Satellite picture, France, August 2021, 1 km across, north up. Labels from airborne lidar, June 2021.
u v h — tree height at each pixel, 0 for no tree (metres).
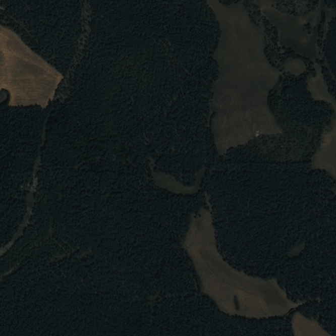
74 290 18
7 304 18
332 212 18
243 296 0
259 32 0
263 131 0
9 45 0
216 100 0
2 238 15
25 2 15
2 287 10
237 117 0
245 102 0
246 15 0
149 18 13
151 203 14
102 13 10
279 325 19
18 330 14
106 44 9
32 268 17
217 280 0
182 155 10
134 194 21
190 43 17
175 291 19
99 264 15
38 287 19
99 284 14
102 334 17
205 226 0
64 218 10
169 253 19
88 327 14
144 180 20
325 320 16
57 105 19
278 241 15
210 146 11
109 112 7
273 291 0
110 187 9
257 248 19
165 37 12
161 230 17
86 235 15
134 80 10
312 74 11
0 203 16
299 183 10
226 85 0
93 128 15
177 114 16
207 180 10
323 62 11
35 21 14
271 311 0
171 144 9
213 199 11
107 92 8
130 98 13
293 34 0
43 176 16
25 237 13
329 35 7
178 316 16
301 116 17
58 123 10
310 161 9
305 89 21
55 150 13
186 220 22
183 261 19
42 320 15
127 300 18
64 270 17
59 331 17
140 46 9
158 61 11
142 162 11
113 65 12
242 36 0
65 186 12
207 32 17
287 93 20
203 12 13
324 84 0
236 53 0
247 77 0
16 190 7
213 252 0
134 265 20
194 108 19
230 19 0
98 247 15
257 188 13
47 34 15
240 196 13
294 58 12
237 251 18
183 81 17
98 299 17
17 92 0
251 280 0
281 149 7
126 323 21
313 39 0
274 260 18
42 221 12
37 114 14
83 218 15
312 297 17
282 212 12
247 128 0
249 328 18
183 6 14
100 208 10
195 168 12
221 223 16
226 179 14
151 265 21
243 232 15
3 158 18
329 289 19
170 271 20
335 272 15
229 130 0
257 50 0
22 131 15
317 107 17
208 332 19
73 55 12
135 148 11
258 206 11
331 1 11
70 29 13
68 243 14
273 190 14
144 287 17
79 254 14
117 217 14
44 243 9
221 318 18
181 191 0
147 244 17
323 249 15
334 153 0
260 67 0
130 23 11
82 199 16
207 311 22
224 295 0
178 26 13
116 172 9
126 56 11
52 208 15
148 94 13
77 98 14
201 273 0
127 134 15
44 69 0
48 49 14
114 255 14
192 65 19
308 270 21
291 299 16
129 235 14
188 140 17
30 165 7
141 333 23
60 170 12
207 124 18
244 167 17
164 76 12
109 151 13
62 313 12
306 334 0
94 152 14
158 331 18
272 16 0
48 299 17
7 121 16
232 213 13
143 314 18
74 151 11
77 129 8
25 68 0
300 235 15
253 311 0
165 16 13
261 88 0
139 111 13
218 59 0
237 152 9
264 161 6
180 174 18
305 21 0
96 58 14
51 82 0
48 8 12
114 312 17
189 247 0
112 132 6
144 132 17
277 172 14
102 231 12
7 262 9
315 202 19
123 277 14
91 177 15
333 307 22
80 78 17
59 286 16
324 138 0
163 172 11
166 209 17
